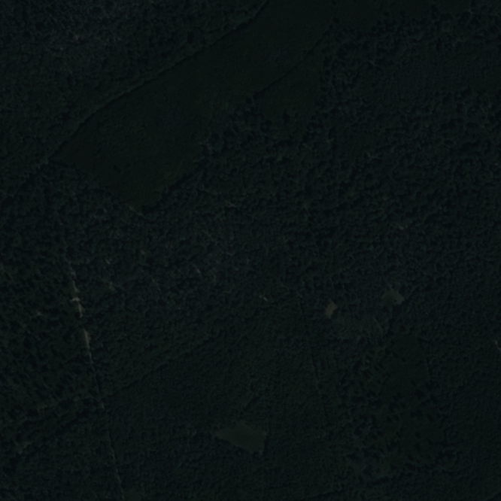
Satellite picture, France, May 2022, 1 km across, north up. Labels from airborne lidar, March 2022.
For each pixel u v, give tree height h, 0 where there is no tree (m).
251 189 27
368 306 19
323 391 17
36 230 28
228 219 25
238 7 29
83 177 32
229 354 25
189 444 25
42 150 26
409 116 23
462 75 19
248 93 8
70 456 27
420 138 25
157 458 18
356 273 25
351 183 10
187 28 32
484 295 19
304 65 13
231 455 16
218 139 29
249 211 27
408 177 28
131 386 18
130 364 24
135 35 30
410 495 21
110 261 32
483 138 26
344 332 16
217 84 9
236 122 28
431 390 30
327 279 29
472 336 25
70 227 32
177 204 25
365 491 24
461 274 23
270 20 14
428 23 29
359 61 30
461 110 27
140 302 28
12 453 15
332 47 28
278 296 20
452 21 28
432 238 26
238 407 18
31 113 27
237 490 25
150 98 17
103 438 23
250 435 0
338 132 20
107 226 21
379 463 31
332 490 13
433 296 23
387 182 29
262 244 26
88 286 31
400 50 25
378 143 23
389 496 20
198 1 27
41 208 29
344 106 29
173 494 26
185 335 25
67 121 34
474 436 26
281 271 26
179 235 28
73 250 32
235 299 26
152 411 17
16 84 24
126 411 19
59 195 29
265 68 14
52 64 26
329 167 23
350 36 28
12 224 30
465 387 24
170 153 14
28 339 33
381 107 18
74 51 30
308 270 28
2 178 28
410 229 25
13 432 32
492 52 16
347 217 29
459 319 24
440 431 8
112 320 27
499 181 24
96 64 29
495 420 21
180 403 19
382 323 13
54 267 30
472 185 31
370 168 21
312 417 18
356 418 24
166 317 28
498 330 25
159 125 16
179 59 12
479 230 20
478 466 24
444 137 27
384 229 24
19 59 25
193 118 17
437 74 18
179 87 12
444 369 26
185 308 28
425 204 27
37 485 26
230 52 17
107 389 21
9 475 29
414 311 25
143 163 15
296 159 27
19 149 31
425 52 19
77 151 12
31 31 27
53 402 34
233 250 27
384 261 23
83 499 25
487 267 21
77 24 30
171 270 23
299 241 28
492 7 22
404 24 24
